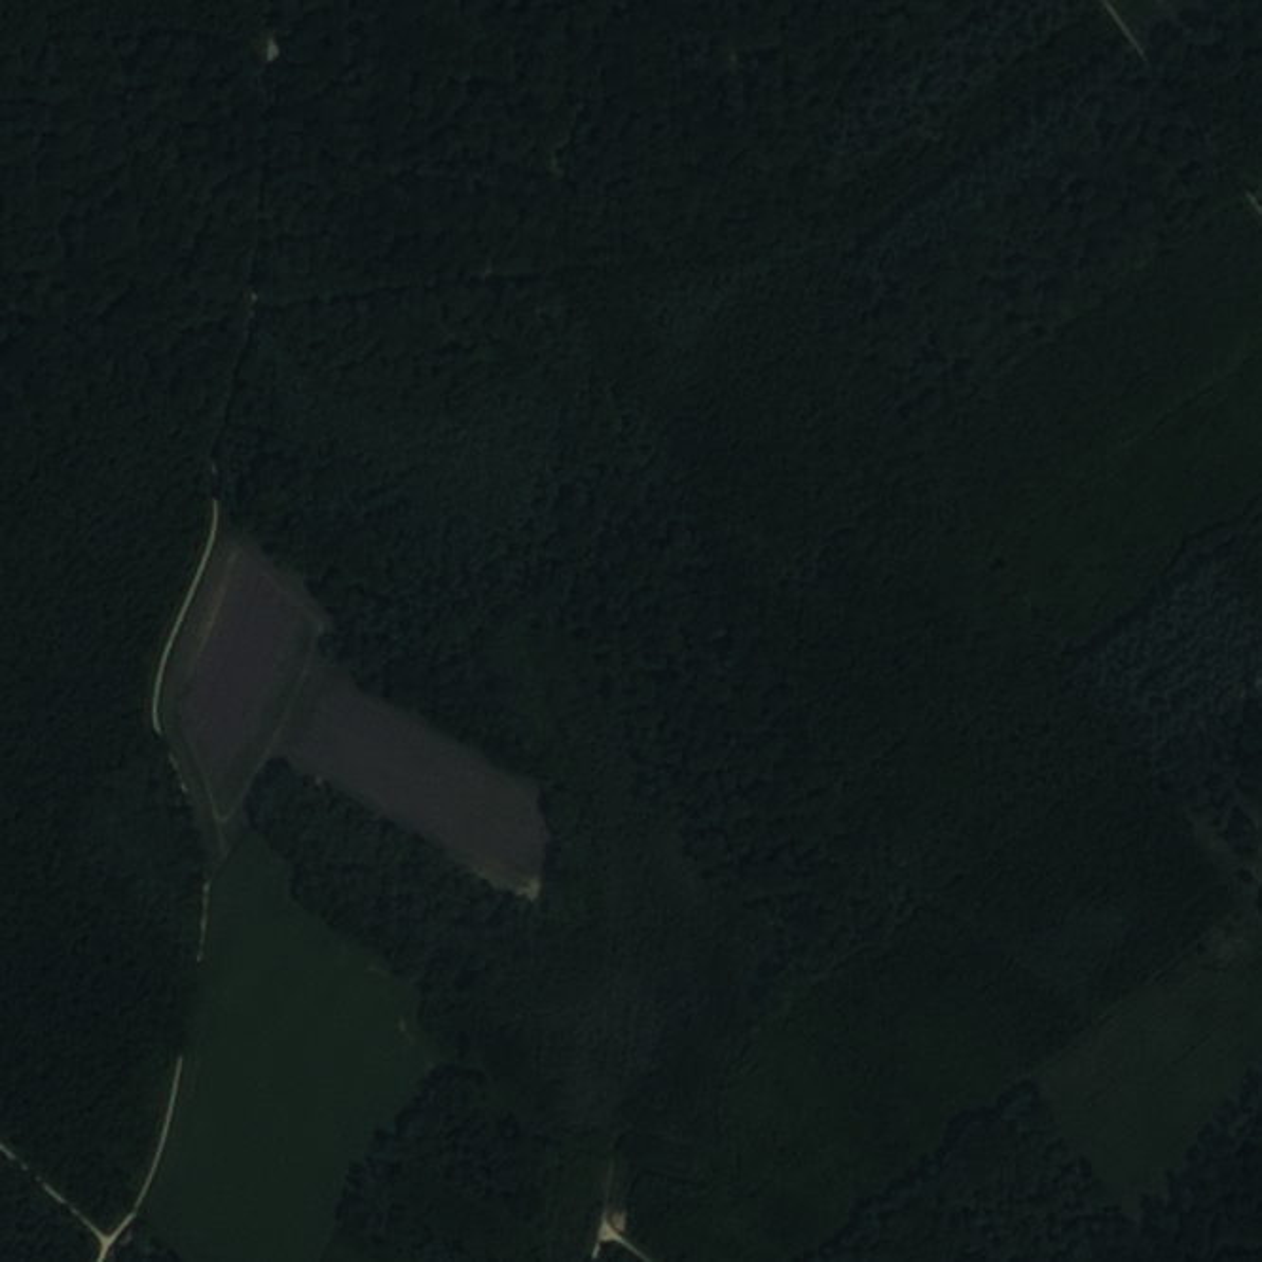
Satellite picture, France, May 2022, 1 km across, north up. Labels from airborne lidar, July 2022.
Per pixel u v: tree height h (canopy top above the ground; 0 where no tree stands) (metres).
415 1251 22
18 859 21
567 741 8
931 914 15
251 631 0
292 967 0
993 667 18
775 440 23
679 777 24
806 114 29
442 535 33
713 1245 11
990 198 23
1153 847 12
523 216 28
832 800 25
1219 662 31
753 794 31
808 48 33
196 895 17
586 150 25
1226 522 6
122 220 32
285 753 0
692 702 25
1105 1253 29
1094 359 12
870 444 22
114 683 21
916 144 9
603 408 29
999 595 20
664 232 26
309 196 29
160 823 27
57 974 21
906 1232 27
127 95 20
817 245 17
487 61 28
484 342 25
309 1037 0
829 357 22
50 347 25
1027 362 17
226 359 27
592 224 27
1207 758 26
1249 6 28
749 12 30
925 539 21
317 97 30
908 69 34
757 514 20
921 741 16
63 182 24
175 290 24
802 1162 8
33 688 21
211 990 0
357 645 31
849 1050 9
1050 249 27
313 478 29
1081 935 18
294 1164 0
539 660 7
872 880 23
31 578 20
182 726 0
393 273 29
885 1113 9
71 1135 20
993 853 13
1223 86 25
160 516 19
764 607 21
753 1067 8
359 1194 23
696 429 19
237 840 0
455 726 24
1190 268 13
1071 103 26
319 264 27
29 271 14
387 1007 0
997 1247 27
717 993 7
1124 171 25
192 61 27
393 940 25
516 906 23
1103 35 9
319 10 25
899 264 27
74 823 24
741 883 27
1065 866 13
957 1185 26
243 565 0
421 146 30
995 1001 14
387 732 0
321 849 21
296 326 27
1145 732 28
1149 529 6
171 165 26
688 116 27
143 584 20
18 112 29
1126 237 28
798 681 21
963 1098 8
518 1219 26
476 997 26
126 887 25
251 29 19
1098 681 29
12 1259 23
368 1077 0
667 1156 7
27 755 20
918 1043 10
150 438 18
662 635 30
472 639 23
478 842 0
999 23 33
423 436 17
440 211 31
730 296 21
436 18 33
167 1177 0
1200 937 12
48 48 18
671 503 26
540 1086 7
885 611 20
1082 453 13
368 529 27
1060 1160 18
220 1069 0
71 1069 22
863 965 10
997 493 13
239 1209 0
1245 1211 28
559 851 21
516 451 19
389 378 21
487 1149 28
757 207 31
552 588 27
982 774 16
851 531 20
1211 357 12
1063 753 18
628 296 16
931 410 29
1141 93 26
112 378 15
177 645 0
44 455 21
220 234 26
